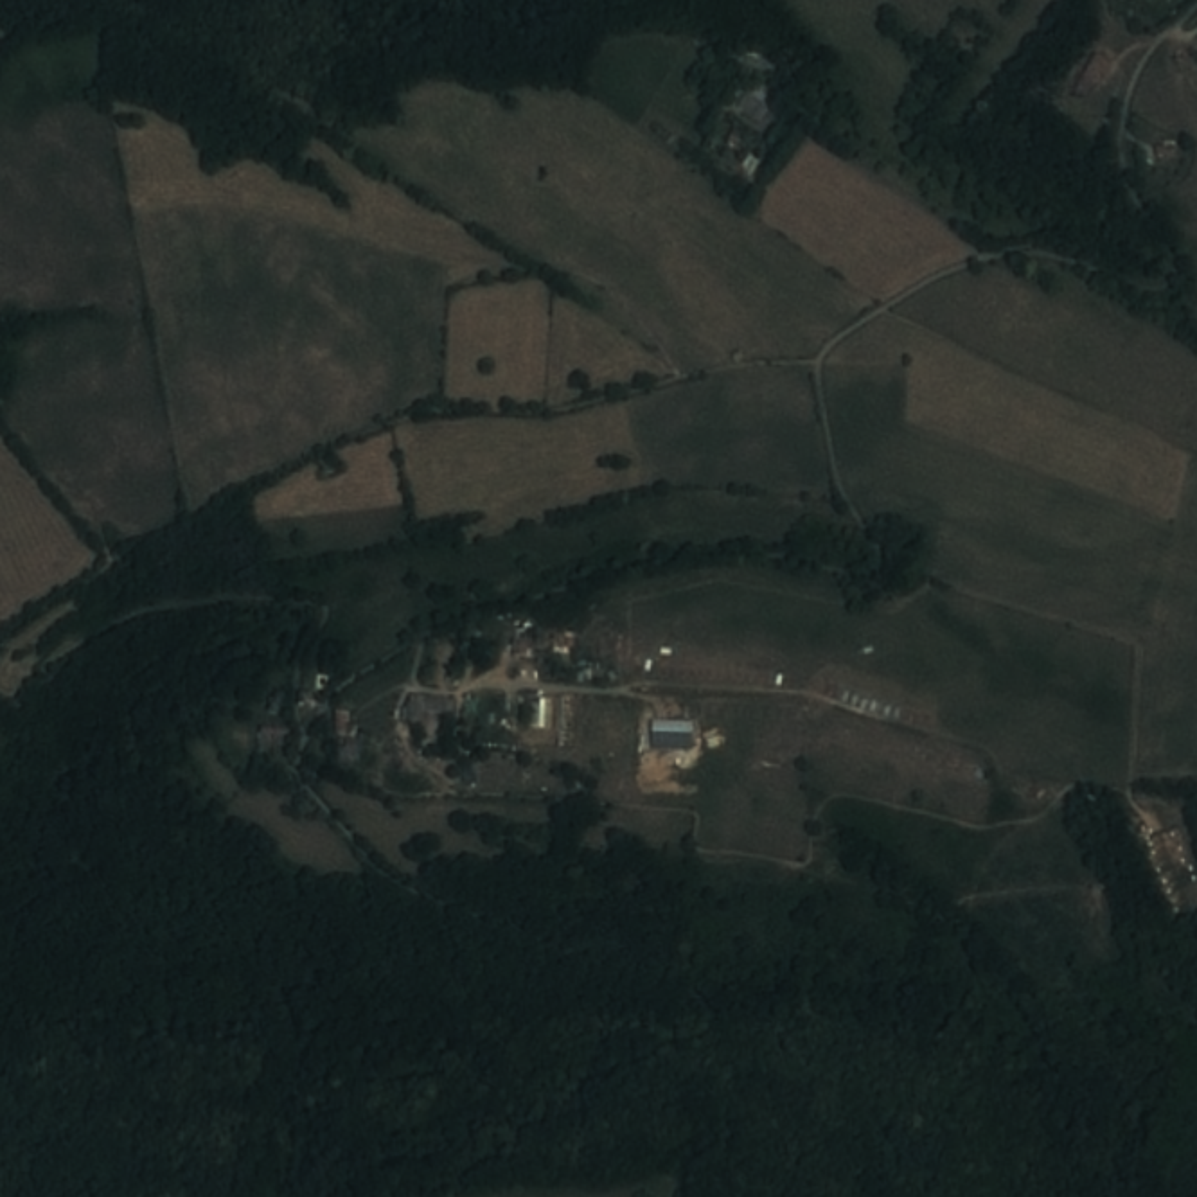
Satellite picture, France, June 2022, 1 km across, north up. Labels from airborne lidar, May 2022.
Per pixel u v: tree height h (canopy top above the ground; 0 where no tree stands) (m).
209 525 17
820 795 0
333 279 0
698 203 0
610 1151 14
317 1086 15
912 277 0
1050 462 0
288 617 10
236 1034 27
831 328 0
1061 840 0
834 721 0
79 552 0
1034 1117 19
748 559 13
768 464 0
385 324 0
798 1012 24
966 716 0
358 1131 20
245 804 0
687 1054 18
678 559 17
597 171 0
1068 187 14
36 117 0
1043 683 0
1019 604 0
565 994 21
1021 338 0
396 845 0
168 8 22
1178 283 15
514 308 0
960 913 10
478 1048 21
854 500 0
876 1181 14
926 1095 20
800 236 0
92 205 0
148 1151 15
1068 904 0
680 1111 19
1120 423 0
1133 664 0
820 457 0
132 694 19
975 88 0
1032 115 16
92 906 15
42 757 21
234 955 20
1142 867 14
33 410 0
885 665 0
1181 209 0
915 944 8
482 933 20
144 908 16
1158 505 0
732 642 0
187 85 17
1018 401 0
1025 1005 17
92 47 0
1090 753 0
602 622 0
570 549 0
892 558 13
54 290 0
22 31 16
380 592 0
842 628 0
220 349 0
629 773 0
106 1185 11
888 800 0
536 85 15
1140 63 0
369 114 11
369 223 0
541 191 0
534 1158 16
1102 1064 18
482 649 8
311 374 0
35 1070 19
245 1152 24
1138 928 15
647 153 0
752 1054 18
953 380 0
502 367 0
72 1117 19
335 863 0
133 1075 24
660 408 0
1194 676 0
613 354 0
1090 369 0
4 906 25
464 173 0
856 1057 20
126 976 19
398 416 9
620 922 18
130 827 13
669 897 17
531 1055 19
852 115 8
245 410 0
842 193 0
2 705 11
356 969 19
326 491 0
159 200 0
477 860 13
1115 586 0
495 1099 20
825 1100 18
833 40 0
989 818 0
